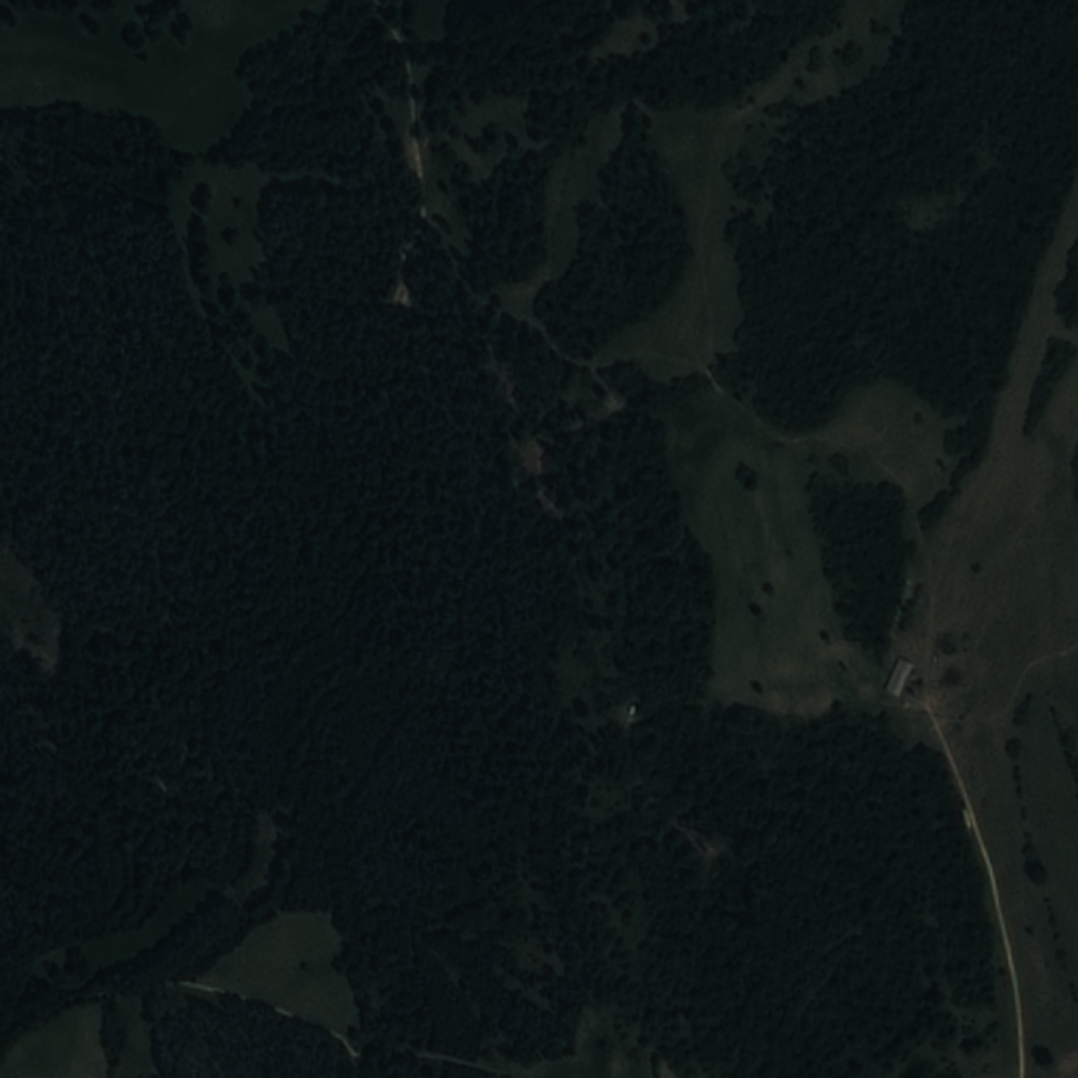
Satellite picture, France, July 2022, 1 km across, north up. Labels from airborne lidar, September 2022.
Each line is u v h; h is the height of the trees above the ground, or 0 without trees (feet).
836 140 22
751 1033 49
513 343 80
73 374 92
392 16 73
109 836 54
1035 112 35
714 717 42
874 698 0
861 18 0
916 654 0
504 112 0
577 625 21
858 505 24
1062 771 0
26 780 73
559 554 71
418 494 79
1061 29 22
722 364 54
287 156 75
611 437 65
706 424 0
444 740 45
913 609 20
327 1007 0
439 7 0
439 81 61
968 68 37
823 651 0
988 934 28
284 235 58
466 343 47
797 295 21
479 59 57
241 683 60
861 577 22
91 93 0
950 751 0
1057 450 0
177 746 72
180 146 0
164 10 51
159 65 0
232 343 87
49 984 47
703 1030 40
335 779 28
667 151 0
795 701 0
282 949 0
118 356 99
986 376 22
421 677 44
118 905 76
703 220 0
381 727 45
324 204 69
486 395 88
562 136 41
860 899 22
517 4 96
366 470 99
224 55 0
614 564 66
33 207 86
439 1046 41
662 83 36
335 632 47
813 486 24
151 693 69
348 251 58
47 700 83
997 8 62
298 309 38
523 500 32
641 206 70
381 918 35
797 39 45
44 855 65
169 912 0
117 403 84
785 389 25
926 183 21
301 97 77
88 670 44
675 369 0
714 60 36
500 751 39
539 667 27
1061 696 0
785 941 23
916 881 18
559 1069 0
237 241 22
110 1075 21
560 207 0
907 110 60
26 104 0
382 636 74
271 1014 54
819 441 0
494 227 83
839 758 51
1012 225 17
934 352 28
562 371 29
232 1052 69
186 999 0
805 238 44
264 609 67
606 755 23
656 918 19
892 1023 18
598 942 18
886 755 25
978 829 0
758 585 0
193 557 67
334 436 94
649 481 48
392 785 75
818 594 0
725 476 0
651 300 28
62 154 29
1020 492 0
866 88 22
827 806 51
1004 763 0
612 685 24
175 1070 60
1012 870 0
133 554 109
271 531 73
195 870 73
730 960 52
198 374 73
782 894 42
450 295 30
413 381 64
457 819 59
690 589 37
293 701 50
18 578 0
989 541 0
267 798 36
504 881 53
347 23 55
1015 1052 0
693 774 62
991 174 20
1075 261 21
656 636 46
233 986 0
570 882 31
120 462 25
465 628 90
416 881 54
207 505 68
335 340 86
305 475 88
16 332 85
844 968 25
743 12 62
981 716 0
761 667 0
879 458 0
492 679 104
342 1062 58
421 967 43
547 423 27
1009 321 40
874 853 59
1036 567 0
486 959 33
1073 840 0
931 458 0
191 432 95
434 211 0
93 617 59
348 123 69
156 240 88
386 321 76
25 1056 0
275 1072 66
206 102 0
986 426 21
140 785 79
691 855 77
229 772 57
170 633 76
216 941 38
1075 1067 0
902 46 57
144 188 35
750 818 52
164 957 70
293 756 63
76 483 82
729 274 0
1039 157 23
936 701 0
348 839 61
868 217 49
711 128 0
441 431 93
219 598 80
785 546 0
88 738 52
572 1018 28
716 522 0
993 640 0
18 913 43
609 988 38
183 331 95
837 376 27
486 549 90
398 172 69
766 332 23
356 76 88
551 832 18
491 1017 39
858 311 48
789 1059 58
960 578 0
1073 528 0
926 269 29
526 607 70
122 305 102
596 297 61
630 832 25
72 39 0
